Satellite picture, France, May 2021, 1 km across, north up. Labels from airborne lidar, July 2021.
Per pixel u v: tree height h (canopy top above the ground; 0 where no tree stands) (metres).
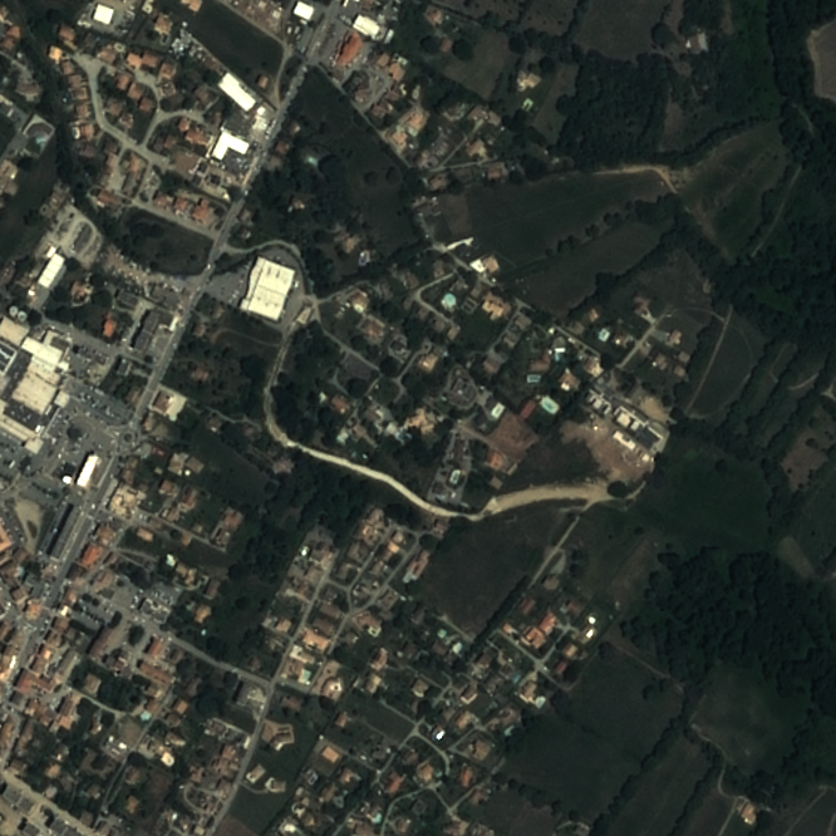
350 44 0
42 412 0
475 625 0
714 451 0
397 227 0
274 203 6
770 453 13
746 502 0
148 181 0
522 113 10
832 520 0
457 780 7
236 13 0
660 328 0
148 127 0
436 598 0
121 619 7
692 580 23
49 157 0
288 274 0
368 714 0
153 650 0
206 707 14
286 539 13
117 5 0
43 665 0
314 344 8
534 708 7
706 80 11
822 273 9
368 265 9
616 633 0
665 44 16
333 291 11
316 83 0
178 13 0
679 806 0
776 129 0
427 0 7
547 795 9
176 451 7
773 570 20
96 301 12
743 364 0
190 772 10
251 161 0
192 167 0
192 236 0
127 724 0
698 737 12
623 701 0
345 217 13
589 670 0
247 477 0
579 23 14
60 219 0
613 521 0
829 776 6
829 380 11
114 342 6
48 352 0
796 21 25
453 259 10
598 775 0
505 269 0
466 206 0
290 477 21
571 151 13
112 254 0
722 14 10
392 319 13
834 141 14
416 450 19
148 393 0
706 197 0
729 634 14
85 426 0
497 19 11
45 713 0
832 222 11
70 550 0
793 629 18
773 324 14
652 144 11
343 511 14
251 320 6
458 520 13
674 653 12
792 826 0
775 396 10
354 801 13
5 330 0
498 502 0
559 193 0
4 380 0
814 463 0
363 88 0
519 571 0
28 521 0
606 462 0
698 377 10
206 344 8
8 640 8
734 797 0
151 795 0
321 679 0
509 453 0
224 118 7
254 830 0
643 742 0
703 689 9
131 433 0
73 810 8
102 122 0
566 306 0
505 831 0
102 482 0
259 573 12
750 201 0
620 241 0
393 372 13
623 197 0
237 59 0
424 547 8
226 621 0
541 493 0
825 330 15
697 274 0
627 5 0
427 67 8
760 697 0
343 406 0
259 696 0
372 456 8
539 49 10
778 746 0
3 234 0
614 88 9
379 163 0
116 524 0
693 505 0
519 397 9
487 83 0
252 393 7
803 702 0
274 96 0
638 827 0
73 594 0
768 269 9
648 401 0
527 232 0
